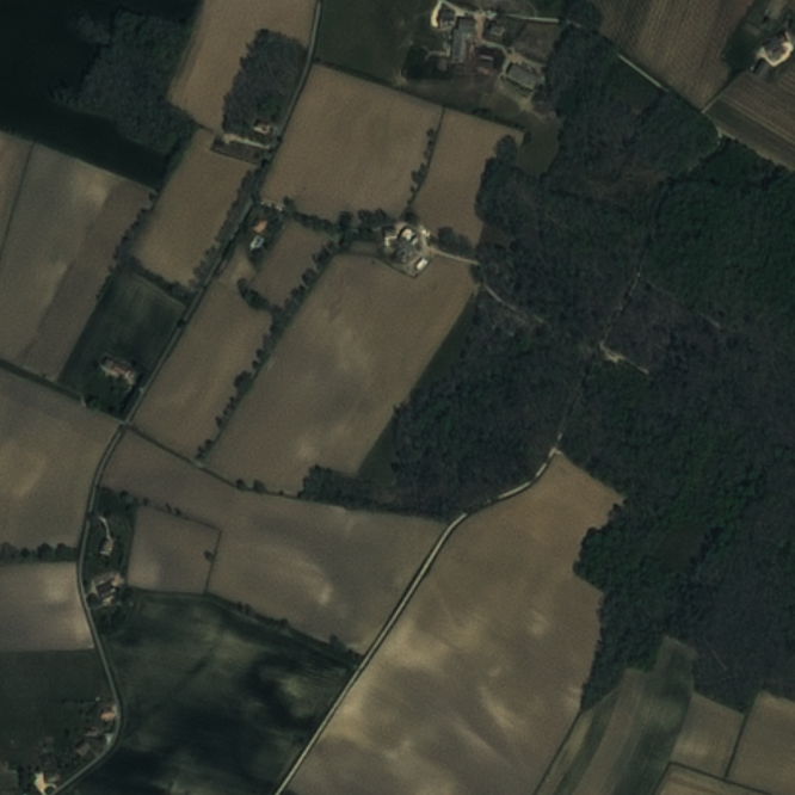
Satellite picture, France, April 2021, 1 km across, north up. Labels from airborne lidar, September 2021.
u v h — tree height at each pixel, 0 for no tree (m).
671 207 14
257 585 0
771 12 0
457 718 0
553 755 0
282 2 0
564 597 0
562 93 8
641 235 15
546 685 0
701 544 0
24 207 0
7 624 0
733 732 0
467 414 21
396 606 0
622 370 17
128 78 17
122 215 0
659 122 18
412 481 13
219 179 0
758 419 17
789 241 21
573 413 16
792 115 0
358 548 0
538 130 0
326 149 0
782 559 22
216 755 0
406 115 0
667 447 21
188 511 0
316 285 15
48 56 0
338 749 0
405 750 0
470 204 0
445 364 0
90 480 0
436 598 0
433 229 0
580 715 0
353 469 0
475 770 0
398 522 0
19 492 0
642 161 12
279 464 0
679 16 0
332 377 0
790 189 24
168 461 0
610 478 19
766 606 17
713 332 22
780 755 0
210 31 0
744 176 8
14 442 0
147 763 0
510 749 0
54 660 0
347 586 0
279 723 0
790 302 20
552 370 18
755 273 17
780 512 19
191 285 8
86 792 0
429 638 0
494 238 0
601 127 20
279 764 0
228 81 0
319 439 0
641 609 28
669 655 0
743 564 19
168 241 0
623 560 21
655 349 10
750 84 0
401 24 0
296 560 0
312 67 0
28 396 0
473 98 0
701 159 10
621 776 0
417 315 0
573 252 20
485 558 0
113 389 6
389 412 0
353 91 0
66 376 0
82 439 0
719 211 20
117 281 0
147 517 0
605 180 7
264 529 0
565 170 6
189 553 0
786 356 19
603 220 21
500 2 0
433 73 0
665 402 20
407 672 0
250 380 16
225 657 0
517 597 0
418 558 0
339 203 0
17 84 0
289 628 10
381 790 0
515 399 21
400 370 0
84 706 6
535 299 17
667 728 0
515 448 19
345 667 0
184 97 0
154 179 0
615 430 17
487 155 0
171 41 16
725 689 18
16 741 0
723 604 16
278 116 13
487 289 15
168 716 0
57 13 0
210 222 0
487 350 17
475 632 0
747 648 20
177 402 0
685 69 0
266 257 16
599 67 20
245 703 0
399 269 0
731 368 20
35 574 0
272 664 0
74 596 0
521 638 0
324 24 0
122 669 0
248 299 20
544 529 0
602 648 11
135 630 0
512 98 0
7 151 0
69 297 0
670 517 20
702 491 11
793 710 0
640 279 8
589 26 20
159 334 0
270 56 20
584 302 24
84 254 0
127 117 16
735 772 0
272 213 14
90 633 0
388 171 0
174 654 0
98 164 0
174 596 0
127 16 20
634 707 0
